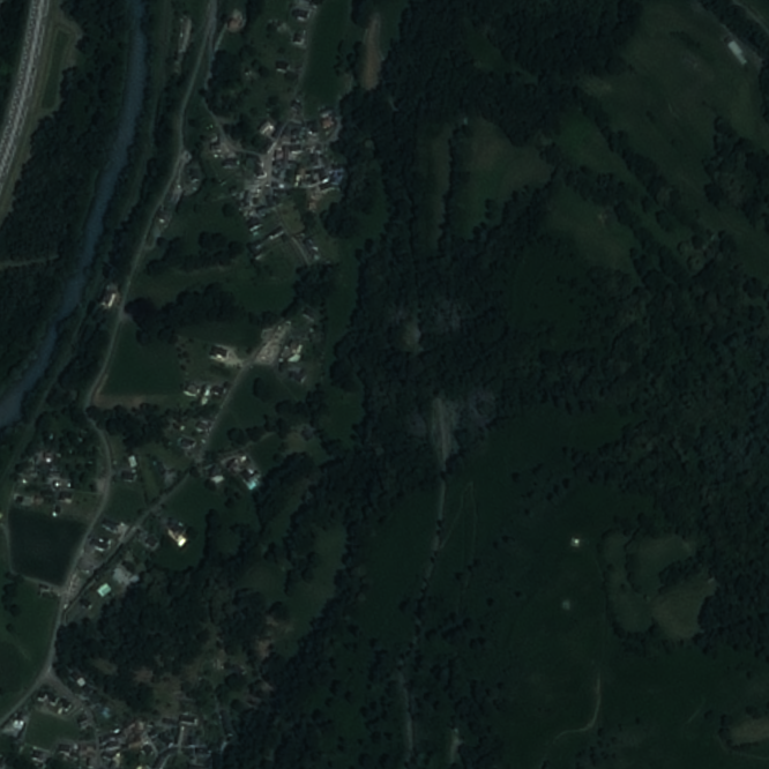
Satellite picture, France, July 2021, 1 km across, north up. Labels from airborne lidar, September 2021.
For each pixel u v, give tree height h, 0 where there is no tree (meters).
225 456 7
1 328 23
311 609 0
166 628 25
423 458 18
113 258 6
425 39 21
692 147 0
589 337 8
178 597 19
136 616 20
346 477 16
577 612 0
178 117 0
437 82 18
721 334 26
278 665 25
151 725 8
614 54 23
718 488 20
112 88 31
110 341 16
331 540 0
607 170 0
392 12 0
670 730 0
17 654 0
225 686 13
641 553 0
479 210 0
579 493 0
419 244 21
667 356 18
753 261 0
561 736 0
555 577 0
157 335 15
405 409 22
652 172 32
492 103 18
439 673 12
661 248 23
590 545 0
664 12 0
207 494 0
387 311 9
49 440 12
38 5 0
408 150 21
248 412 0
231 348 0
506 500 0
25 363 15
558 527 0
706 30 0
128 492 0
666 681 0
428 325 12
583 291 7
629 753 0
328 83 0
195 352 0
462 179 19
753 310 7
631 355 25
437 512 0
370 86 0
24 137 0
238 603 16
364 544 15
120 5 33
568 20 9
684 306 26
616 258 0
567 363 22
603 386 29
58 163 22
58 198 21
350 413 0
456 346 8
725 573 23
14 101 0
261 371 0
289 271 0
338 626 17
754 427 6
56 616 0
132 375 0
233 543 0
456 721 12
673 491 17
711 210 0
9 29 17
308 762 11
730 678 0
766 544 10
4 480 0
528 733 0
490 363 17
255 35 0
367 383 23
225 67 20
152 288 0
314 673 19
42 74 0
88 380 25
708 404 20
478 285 8
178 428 10
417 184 19
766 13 0
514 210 20
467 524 0
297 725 22
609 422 0
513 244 13
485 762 14
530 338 13
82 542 0
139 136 16
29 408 17
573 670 0
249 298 0
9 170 0
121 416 20
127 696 19
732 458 33
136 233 12
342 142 14
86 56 29
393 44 10
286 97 0
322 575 0
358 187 20
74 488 13
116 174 0
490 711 14
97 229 0
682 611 0
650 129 0
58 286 20
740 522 19
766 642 24
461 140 14
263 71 13
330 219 24
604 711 0
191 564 0
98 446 11
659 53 0
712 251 15
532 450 0
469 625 14
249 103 0
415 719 9
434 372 14
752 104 0
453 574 0
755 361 6
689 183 0
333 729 17
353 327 11
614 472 27
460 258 13
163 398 0
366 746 11
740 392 9
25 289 24
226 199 0
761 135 0
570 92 22
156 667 18
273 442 0
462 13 18
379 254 19
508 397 15
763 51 30
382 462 20
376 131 20
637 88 0
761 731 0
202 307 19
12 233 19
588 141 0
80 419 20
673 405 23
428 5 17
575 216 0
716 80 0
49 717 0
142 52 0
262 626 15
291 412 18
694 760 0
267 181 0
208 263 16
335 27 0
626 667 0
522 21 20
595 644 0
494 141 0
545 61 21
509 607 0
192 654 17
